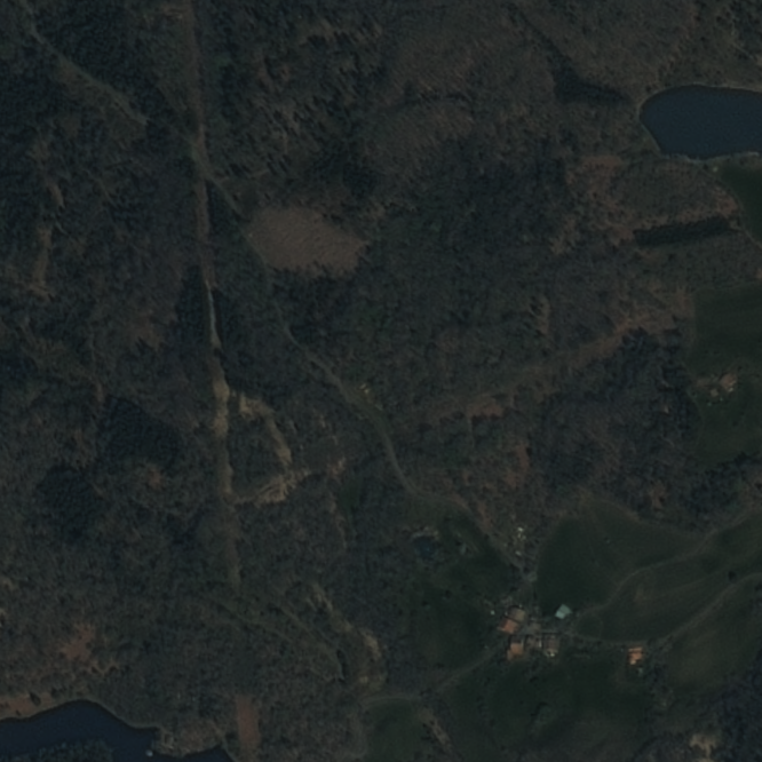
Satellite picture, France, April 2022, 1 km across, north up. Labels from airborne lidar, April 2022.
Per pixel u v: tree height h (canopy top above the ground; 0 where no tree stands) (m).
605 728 0
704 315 0
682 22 25
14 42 21
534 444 17
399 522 20
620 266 19
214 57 23
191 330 23
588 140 20
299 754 13
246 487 16
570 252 0
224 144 22
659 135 0
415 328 15
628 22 19
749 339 0
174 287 33
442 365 19
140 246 26
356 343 20
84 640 0
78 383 25
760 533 0
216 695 15
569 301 24
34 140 18
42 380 37
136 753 0
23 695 14
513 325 22
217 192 25
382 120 23
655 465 24
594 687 0
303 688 8
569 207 15
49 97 25
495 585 0
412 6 29
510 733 0
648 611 0
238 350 25
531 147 22
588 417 22
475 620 0
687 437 16
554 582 0
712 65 0
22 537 23
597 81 16
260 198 0
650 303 17
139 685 18
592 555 0
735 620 0
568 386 6
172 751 8
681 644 0
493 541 13
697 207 7
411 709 0
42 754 20
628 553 0
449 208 21
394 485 8
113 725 0
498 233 16
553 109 24
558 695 0
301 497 14
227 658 13
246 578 7
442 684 0
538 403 6
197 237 7
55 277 14
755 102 0
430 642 0
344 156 11
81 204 12
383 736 0
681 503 27
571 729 0
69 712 0
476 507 6
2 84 25
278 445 15
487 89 19
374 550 17
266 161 34
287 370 23
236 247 23
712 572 0
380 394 12
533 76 21
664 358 23
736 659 0
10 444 28
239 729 9
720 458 0
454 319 17
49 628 11
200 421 20
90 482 19
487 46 22
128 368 23
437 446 21
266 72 0
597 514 0
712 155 0
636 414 22
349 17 24
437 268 21
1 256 9
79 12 24
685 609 0
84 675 8
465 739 0
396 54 16
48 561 24
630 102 21
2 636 9
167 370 14
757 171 0
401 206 12
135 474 6
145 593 18
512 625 0
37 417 24
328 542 14
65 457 23
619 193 13
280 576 19
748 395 0
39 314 21
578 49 14
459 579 0
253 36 20
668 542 0
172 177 29
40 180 20
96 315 26
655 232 6
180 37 18
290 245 0
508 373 16
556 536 0
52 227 12
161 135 20
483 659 0
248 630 9
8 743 0
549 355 11
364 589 18
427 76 24
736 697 15
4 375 35
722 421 0
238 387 17
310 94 20
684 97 0
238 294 23
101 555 27
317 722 17
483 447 22
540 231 19
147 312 29
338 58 14
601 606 0
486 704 6
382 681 0
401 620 14
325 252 0
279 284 22
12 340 7
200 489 18
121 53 20
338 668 0
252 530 7
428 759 14
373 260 19
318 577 17
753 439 0
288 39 14
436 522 0
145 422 20
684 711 0
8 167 9
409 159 22
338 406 21
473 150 26
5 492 16
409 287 14
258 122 20
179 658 14
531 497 7
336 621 0
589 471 24
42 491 23
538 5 14
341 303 13
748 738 31
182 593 18
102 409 23
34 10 18
